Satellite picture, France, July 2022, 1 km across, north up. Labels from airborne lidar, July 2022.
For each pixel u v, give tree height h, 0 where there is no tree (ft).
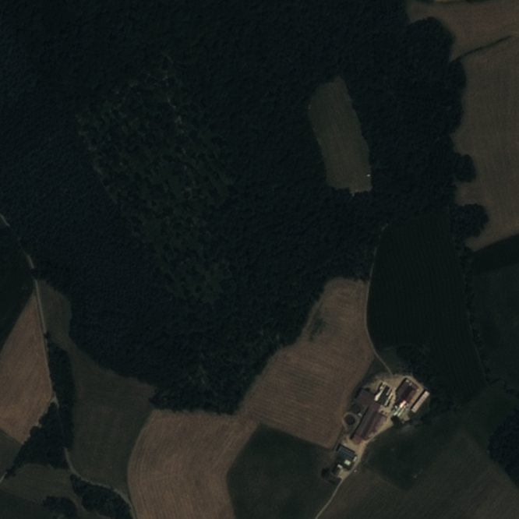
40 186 64
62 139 74
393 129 71
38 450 72
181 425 0
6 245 90
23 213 103
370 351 0
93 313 99
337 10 86
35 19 80
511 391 29
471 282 35
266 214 91
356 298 0
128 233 79
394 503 0
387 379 0
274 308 75
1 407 0
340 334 0
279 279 84
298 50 81
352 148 0
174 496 0
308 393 0
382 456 0
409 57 51
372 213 60
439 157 73
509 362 0
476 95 0
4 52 85
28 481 0
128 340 81
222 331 84
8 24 88
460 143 0
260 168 81
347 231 82
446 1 0
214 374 52
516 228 0
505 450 69
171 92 72
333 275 43
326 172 64
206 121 70
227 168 82
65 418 57
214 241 55
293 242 61
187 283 76
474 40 0
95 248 93
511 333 0
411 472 0
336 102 0
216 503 0
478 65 0
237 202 81
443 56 64
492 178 0
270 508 0
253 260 36
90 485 51
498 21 0
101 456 0
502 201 0
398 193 67
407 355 28
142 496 0
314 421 0
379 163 68
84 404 0
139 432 0
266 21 88
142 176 85
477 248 0
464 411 0
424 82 48
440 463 0
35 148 88
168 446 0
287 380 0
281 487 0
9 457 0
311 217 83
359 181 0
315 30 78
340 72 74
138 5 85
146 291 90
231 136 83
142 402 0
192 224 82
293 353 0
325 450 0
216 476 0
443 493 0
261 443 0
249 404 0
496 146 0
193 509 0
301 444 0
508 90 0
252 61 75
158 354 66
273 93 97
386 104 77
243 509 0
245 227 82
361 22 70
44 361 0
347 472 0
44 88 83
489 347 0
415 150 58
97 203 72
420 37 66
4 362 0
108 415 0
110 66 67
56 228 90
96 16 83
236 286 59
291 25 92
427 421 54
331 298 0
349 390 0
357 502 0
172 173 0
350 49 84
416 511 0
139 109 85
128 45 89
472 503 0
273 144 72
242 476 0
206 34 85
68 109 69
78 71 76
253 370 64
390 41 57
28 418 0
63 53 49
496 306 0
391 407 0
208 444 0
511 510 0
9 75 94
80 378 0
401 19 75
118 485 0
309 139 78
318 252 75
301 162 85
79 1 91
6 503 0
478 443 0
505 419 0
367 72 72
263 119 78
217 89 82
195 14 72
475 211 73
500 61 0
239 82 60
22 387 0
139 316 96
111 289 90
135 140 65
